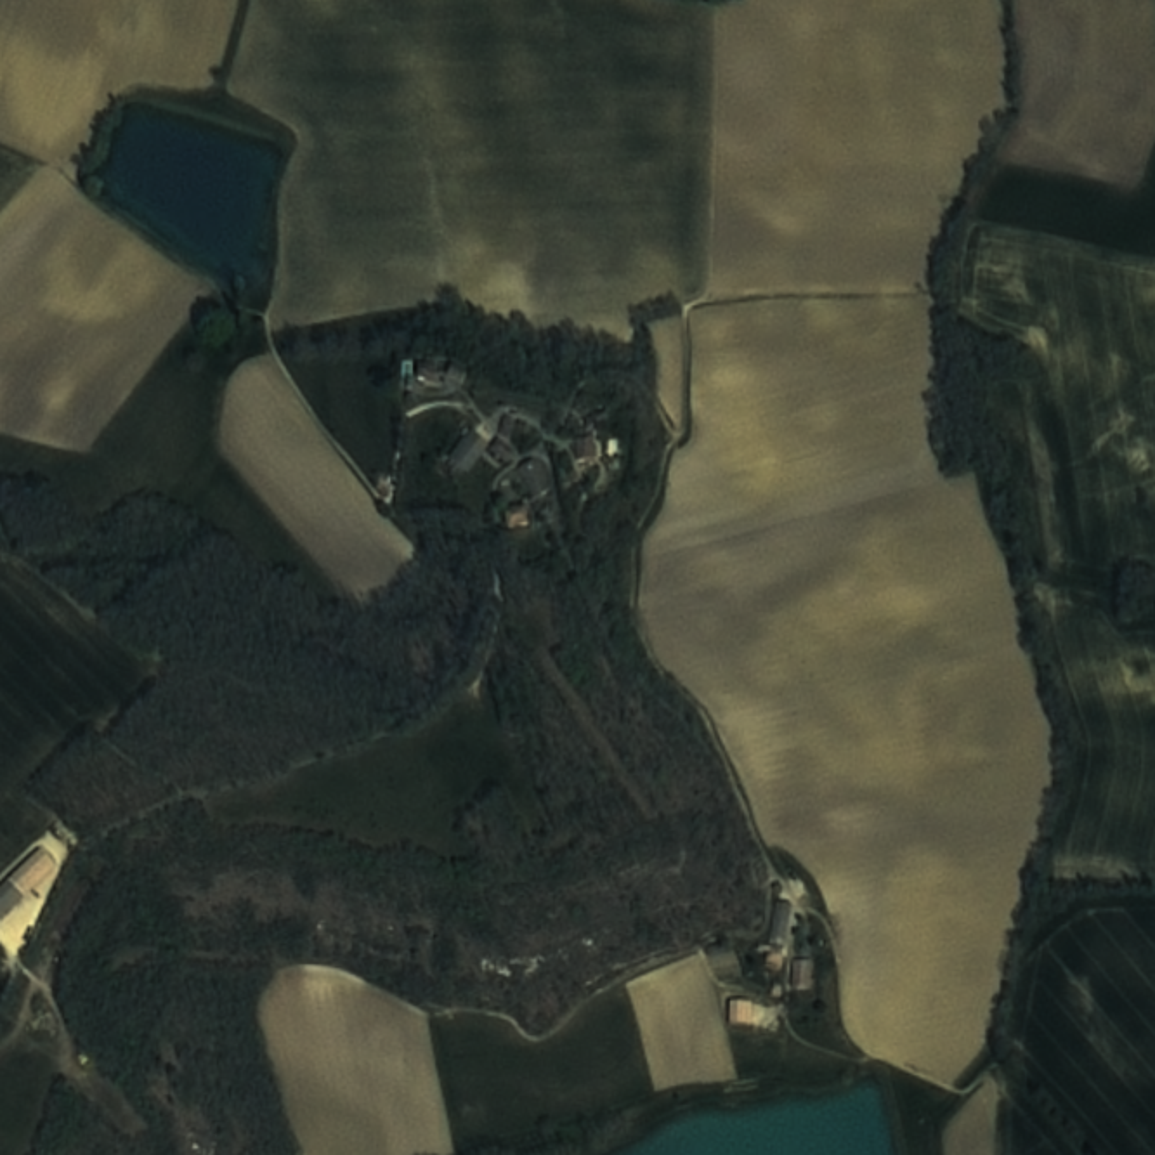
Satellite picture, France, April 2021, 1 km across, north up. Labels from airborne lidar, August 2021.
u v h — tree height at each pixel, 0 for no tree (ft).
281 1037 0
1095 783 0
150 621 74
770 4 0
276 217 0
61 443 0
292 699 52
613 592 59
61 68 0
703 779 25
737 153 0
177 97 0
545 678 54
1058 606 0
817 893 0
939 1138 0
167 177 0
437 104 0
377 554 0
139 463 0
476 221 0
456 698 28
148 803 34
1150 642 0
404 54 0
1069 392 0
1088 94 0
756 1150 0
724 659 0
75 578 69
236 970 45
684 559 0
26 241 0
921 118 0
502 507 36
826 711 0
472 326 28
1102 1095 0
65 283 0
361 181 0
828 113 0
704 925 42
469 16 0
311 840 36
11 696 0
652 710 33
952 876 0
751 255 0
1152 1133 0
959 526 0
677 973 0
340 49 0
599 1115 23
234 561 77
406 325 41
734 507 0
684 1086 0
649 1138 0
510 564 49
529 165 0
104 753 55
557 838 32
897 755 0
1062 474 0
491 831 39
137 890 51
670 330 0
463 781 0
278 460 0
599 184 0
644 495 45
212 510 0
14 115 0
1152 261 0
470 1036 0
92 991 56
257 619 72
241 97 0
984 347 72
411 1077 0
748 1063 0
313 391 0
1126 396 0
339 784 0
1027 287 0
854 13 0
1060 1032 0
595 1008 0
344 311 0
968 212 56
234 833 26
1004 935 0
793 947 0
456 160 0
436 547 51
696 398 0
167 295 0
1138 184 0
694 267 0
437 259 0
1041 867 52
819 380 0
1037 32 0
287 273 0
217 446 0
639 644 49
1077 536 0
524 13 0
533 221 0
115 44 0
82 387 0
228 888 0
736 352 0
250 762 51
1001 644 0
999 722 0
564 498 25
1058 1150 0
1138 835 0
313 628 35
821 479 0
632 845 39
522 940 0
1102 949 0
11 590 0
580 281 0
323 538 0
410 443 35
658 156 0
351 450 0
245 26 0
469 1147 0
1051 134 0
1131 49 0
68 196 0
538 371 60
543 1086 0
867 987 0
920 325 0
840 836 0
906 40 0
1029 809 0
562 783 60
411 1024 0
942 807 0
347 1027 0
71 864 40
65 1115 41
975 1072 0
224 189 0
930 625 0
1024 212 0
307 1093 0
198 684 56
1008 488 41
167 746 47
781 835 0
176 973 57
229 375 0
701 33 0
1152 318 0
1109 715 0
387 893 22
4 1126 0
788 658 0
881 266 0
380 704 42
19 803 0
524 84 0
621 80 0
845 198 0
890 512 0
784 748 0
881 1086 0
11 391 0
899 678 0
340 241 0
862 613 0
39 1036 0
